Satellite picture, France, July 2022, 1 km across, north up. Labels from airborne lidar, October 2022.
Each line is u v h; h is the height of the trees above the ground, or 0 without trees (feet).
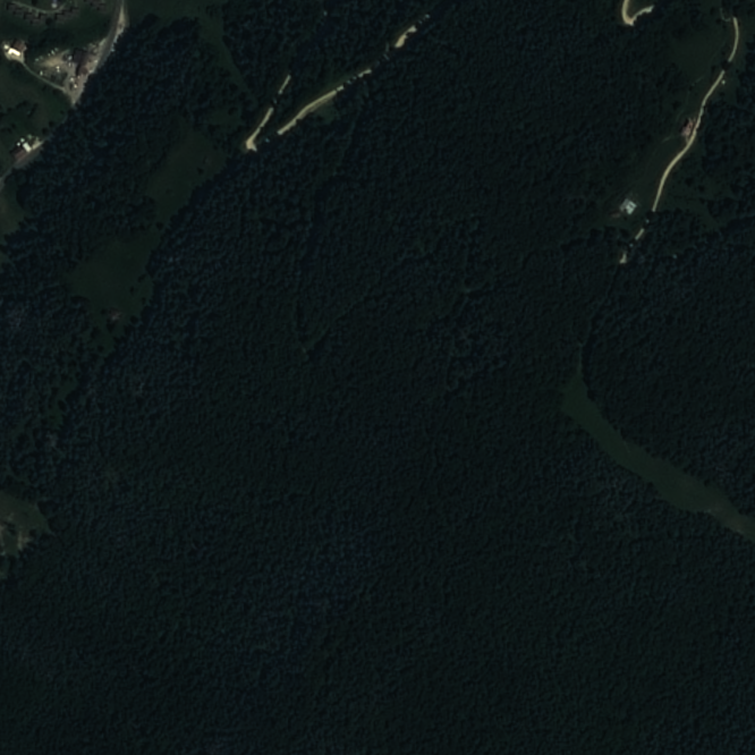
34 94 0
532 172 98
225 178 47
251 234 91
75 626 82
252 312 89
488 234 93
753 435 59
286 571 66
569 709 33
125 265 0
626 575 66
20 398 100
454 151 103
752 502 68
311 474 80
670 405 63
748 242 86
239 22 25
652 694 41
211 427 92
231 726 70
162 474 80
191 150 0
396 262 103
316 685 65
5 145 0
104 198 108
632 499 58
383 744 40
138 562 66
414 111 91
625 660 45
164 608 68
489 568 32
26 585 70
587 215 43
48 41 26
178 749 60
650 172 0
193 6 0
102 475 90
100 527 77
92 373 98
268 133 35
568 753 20
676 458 56
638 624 61
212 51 40
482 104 90
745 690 50
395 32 33
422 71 108
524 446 66
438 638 72
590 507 50
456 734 50
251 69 104
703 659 43
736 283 83
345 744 53
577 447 57
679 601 48
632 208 0
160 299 68
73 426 117
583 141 104
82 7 0
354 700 39
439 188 89
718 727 57
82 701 60
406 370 71
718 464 92
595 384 76
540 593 41
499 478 66
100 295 0
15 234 0
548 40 89
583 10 72
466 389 76
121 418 71
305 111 0
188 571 68
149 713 69
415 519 70
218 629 35
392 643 52
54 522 88
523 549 52
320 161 83
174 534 53
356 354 90
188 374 101
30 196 119
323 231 105
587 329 77
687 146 0
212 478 67
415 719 56
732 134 66
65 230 120
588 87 96
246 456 79
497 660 52
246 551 87
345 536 81
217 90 25
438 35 108
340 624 76
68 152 58
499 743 56
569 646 38
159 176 0
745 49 0
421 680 58
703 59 0
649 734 44
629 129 83
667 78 51
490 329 76
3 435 88
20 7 0
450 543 59
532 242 85
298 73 99
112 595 65
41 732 74
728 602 49
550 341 74
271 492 81
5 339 70
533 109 99
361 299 80
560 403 74
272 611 65
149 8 0
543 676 36
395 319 93
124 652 80
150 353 104
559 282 88
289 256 104
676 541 51
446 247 52
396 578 69
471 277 48
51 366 91
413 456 86
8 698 85
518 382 80
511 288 98
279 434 97
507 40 103
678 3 76
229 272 116
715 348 75
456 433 77
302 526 71
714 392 50
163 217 0
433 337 65
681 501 0
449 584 73
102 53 0
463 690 48
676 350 86
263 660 72
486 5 85
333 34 106
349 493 83
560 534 54
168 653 65
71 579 75
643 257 68
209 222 97
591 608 59
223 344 81
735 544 53
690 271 94
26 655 92
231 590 69
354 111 45
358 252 93
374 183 88
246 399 96
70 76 0
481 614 62
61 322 76
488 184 98
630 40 83
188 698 79
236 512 49
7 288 56
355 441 84
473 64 96
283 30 111
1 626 100
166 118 116
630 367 72
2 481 57
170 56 96
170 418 95
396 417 88
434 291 103
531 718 47
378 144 111
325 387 91
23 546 0
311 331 74
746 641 50
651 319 63
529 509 63
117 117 108
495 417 71
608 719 34
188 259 111
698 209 0
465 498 61
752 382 64
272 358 85
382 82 59
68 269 69
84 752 73
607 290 73
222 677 57
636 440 71
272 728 79
